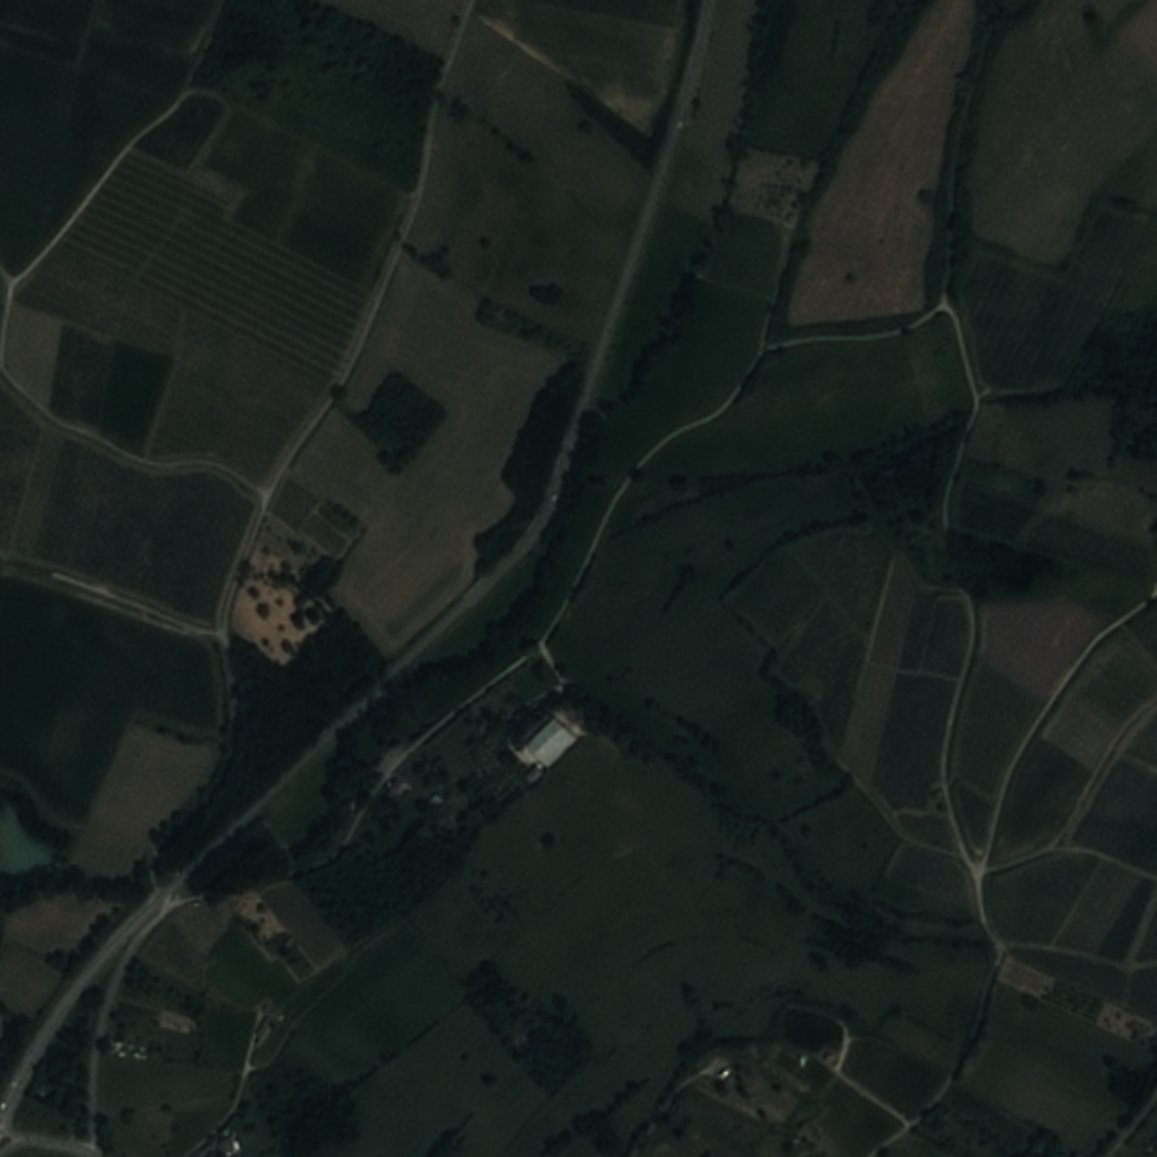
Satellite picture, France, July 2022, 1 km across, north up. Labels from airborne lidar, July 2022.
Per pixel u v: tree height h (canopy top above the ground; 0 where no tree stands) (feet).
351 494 0
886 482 49
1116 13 0
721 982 0
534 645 45
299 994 0
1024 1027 0
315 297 0
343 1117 43
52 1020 0
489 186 0
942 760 0
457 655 0
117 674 0
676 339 52
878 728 0
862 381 0
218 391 0
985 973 0
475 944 0
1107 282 0
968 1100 0
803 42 0
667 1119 32
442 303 0
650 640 0
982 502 0
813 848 0
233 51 26
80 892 64
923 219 0
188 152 0
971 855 0
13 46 0
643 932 0
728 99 0
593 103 25
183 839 62
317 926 0
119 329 0
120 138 0
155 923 0
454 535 0
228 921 0
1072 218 0
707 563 0
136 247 0
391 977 0
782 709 48
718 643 0
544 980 0
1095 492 0
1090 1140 0
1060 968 0
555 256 0
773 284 0
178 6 0
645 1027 0
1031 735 0
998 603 0
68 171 0
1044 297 0
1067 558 0
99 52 0
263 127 0
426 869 33
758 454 0
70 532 0
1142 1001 0
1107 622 0
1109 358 51
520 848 0
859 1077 0
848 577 0
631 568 0
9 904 67
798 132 0
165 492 0
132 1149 0
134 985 34
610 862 0
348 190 0
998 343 0
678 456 0
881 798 0
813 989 0
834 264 0
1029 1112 0
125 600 0
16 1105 0
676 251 0
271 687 55
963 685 0
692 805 0
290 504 0
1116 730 0
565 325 0
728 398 0
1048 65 0
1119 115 0
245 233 0
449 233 0
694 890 0
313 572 41
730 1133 0
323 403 0
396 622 0
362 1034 0
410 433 21
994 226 0
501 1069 0
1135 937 0
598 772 0
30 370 0
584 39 0
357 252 0
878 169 0
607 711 51
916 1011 0
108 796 0
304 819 0
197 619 0
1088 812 0
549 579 32
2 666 0
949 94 0
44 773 0
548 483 35
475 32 0
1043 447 0
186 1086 0
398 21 0
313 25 36
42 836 43
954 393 0
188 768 0
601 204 0
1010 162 0
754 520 0
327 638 58
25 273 0
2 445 0
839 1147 0
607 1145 61
